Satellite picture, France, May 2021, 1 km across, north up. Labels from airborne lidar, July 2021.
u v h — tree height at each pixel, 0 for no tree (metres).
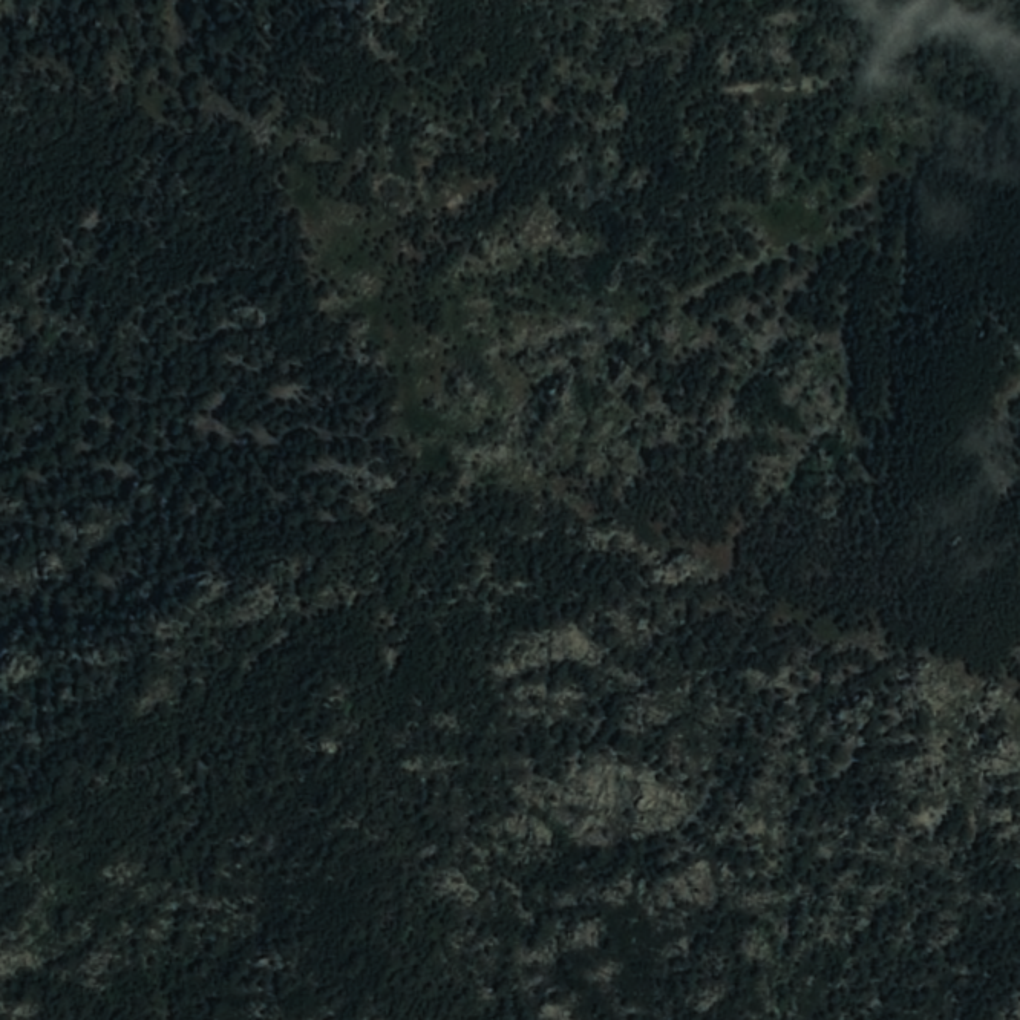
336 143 12
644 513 19
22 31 26
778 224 0
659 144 17
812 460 12
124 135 19
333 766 12
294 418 21
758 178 17
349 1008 10
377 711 18
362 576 20
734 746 22
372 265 0
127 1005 18
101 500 10
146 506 22
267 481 9
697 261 20
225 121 14
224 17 30
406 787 18
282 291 18
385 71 21
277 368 18
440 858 18
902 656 11
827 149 28
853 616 18
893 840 11
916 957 11
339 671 7
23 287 13
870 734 26
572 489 14
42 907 7
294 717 11
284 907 14
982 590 15
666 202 19
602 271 18
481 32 18
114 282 12
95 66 15
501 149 18
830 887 12
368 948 11
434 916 15
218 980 16
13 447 33
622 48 26
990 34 25
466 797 8
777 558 19
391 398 13
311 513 18
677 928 6
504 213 18
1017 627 18
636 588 23
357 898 15
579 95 27
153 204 14
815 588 17
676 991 19
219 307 18
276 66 18
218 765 28
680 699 0
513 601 13
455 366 11
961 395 20
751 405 7
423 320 18
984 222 23
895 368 21
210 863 11
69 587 28
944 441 17
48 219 19
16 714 26
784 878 13
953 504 18
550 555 17
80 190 14
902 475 19
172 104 17
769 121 8
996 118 20
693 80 17
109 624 19
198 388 25
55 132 17
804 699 21
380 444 14
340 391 17
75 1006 14
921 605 18
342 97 17
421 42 16
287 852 10
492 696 17
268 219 22
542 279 14
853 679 11
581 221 18
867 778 24
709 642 20
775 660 13
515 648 7
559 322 10
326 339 13
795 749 12
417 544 24
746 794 13
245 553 24
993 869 13
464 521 23
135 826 13
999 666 18
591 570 17
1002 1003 12
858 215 18
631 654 9
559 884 13
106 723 13
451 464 12
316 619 19
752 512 15
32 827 17
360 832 13
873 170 0
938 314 19
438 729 11
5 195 16
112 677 9
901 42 18
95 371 26
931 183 23
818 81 9
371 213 11
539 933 22
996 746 10
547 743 15
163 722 15
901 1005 8
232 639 16
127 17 23
